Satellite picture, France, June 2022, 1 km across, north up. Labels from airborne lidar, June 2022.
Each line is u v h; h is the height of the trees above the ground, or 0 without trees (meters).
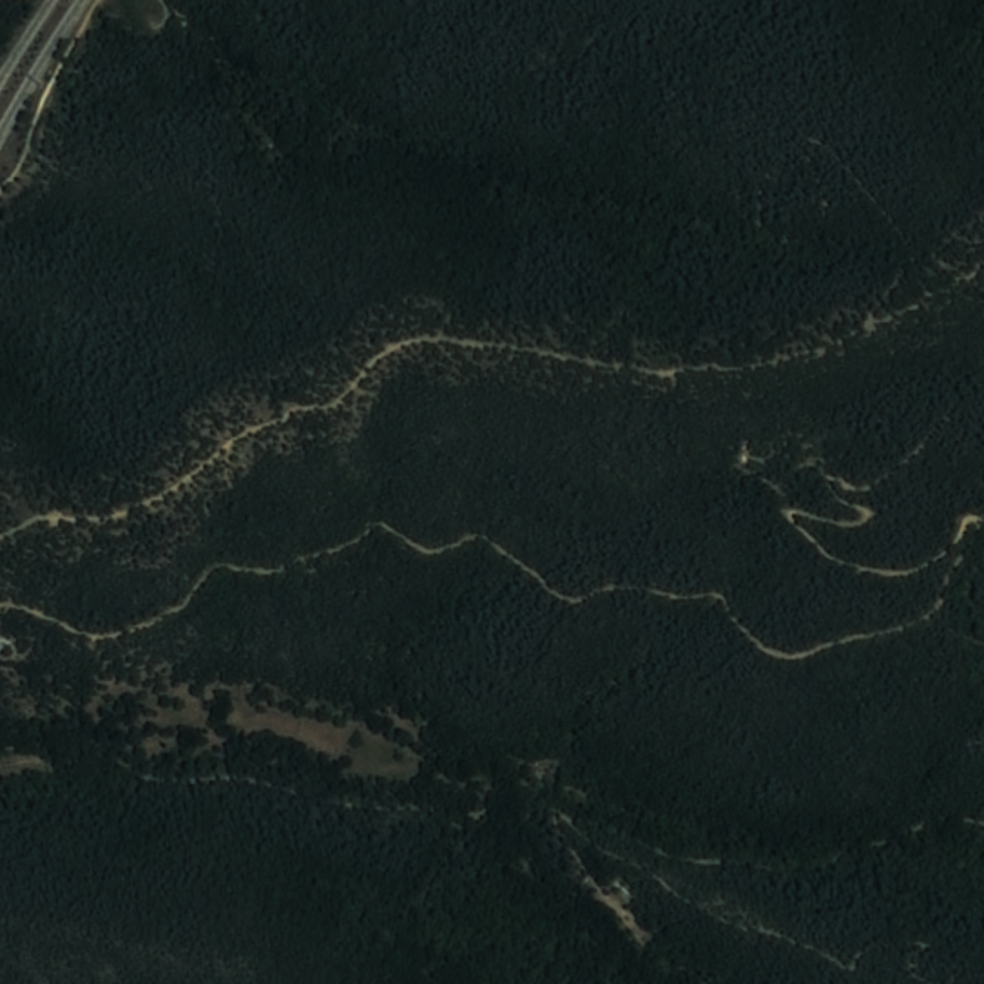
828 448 12
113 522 7
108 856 13
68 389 15
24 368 10
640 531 5
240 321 11
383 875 11
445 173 14
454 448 6
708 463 11
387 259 8
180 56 6
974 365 9
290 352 7
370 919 13
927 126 10
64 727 18
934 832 10
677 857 8
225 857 8
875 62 8
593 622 8
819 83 12
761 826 14
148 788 16
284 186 15
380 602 13
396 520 8
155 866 11
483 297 6
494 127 12
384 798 11
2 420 6
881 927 13
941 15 17
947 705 9
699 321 9
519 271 13
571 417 7
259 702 11
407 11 10
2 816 17
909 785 9
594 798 9
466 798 13
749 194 11
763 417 11
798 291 16
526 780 14
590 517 7
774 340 9
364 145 10
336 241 9
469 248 14
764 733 7
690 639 15
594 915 15
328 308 8
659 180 14
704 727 8
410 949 12
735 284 11
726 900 6
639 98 7
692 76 10
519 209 10
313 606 11
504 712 7
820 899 18
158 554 13
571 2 14
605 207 15
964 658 15
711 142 13
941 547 12
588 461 10
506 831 12
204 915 6
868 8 9
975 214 13
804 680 5
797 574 8
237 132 14
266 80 15
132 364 12
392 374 8
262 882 8
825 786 6
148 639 9
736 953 9
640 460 8
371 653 10
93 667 15
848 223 7
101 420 6
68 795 12
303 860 11
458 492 6
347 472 7
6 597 8
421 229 8
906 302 9
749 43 15
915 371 12
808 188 7
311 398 8
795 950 6
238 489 9
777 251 11
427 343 7
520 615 14
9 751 8
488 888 10
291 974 6
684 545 16
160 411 10
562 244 17
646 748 14
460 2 16
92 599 6
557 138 9
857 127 17
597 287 8
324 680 12
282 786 14
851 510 11
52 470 8
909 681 10
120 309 11
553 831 15
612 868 8
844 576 14
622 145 18
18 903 9
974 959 6
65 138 9
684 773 11
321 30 7
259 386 8
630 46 14
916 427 15
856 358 9
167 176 10
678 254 9
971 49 13
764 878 7
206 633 6
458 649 11
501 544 8
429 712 14
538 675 8
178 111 11
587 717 22
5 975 5
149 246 8
